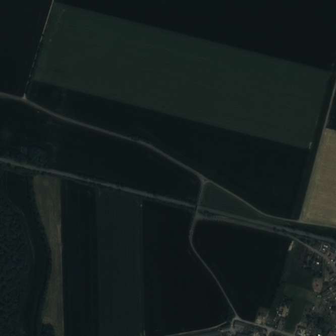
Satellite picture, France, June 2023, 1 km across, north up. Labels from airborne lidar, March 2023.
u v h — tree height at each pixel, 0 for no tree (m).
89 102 0
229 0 0
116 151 0
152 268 0
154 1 0
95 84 0
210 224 0
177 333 0
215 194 0
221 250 0
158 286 0
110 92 0
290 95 0
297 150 0
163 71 0
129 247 0
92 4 0
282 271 0
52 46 0
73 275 0
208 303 0
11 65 0
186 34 0
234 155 0
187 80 0
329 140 0
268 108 0
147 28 0
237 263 0
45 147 0
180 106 0
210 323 0
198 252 0
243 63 0
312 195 0
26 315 0
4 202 18
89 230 0
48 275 14
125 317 0
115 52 0
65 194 0
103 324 0
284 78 0
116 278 0
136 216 0
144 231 0
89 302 0
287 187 0
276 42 0
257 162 0
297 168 0
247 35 0
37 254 0
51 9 0
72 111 0
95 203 0
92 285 0
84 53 0
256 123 0
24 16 0
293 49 0
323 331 6
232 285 0
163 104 0
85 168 0
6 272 27
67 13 0
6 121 0
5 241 14
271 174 0
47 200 0
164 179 0
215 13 0
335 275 0
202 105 0
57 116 0
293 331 0
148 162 0
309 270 11
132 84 0
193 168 0
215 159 0
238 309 0
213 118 0
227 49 0
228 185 0
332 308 8
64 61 0
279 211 0
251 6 0
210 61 0
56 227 0
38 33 0
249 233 0
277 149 0
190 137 0
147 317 0
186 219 0
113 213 0
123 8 0
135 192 0
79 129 0
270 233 0
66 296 0
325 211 0
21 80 0
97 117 0
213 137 0
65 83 0
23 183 0
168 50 0
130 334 0
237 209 0
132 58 0
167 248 0
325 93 0
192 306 0
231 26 0
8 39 0
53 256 0
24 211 0
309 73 0
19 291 25
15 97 0
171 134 0
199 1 0
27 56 0
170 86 0
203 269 0
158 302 0
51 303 0
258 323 0
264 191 0
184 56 0
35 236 0
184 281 0
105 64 0
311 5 0
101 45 0
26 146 0
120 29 0
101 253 0
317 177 0
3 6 0
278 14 0
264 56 0
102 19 0
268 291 0
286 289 0
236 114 0
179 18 0
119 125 0
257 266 0
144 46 0
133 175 0
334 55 0
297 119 0
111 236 0
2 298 29
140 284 0
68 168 0
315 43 0
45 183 0
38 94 0
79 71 0
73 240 0
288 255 0
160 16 0
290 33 0
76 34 0
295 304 0
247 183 0
